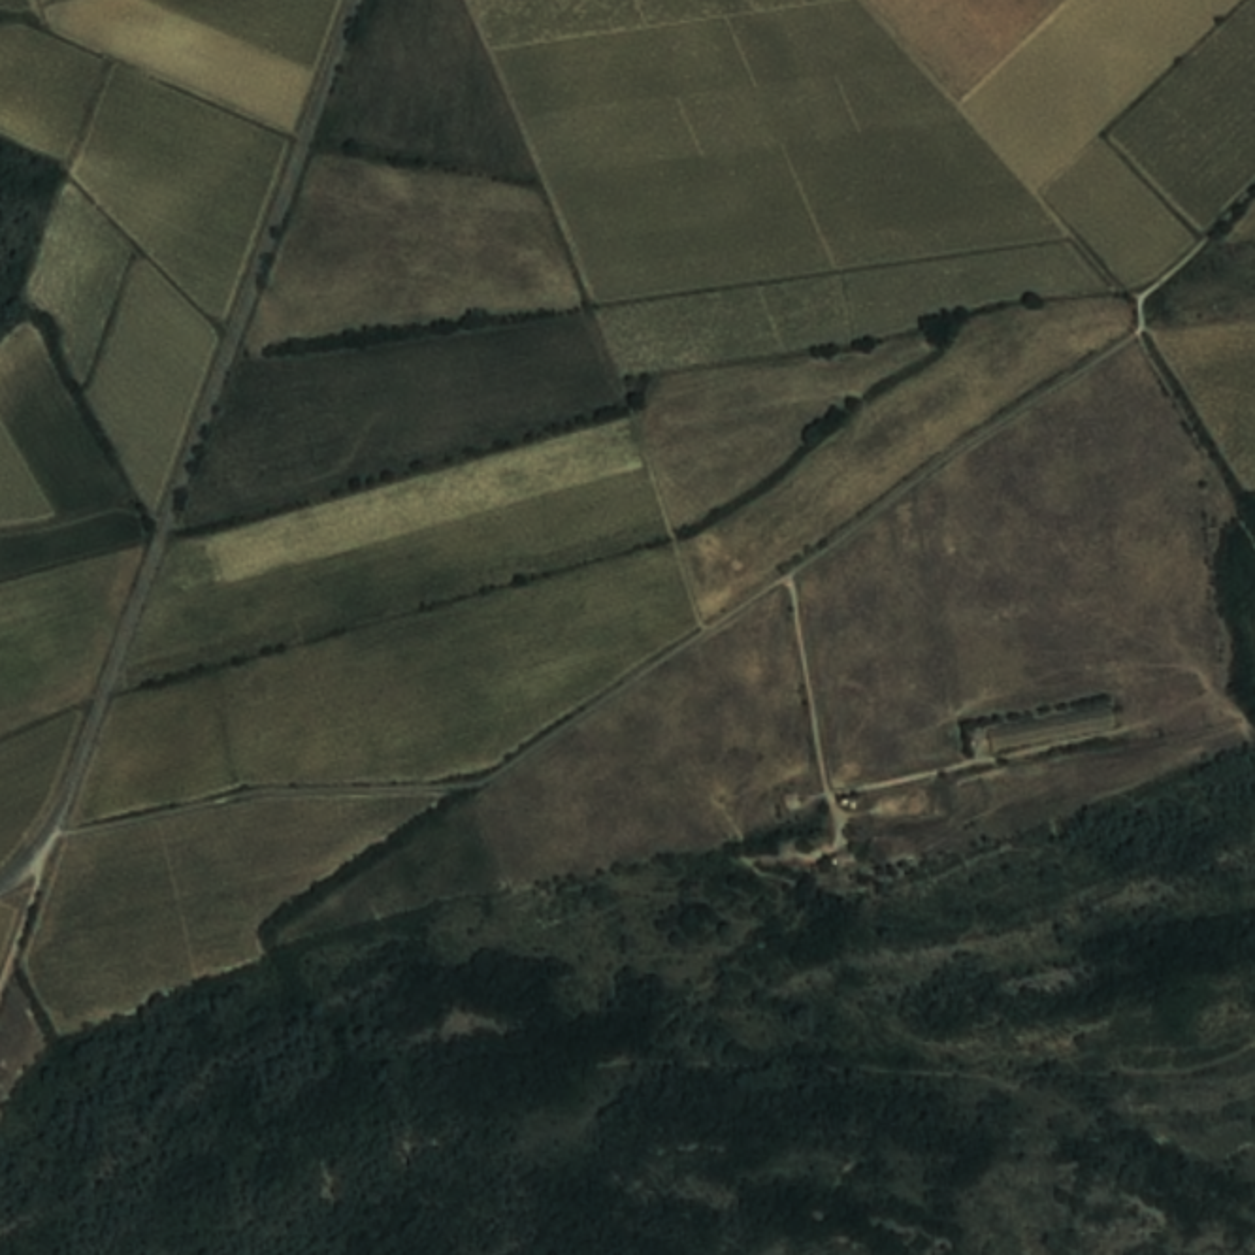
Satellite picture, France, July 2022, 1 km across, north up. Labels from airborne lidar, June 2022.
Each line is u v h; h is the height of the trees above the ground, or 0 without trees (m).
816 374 0
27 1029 0
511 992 9
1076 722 0
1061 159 0
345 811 0
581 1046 11
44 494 0
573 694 0
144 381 0
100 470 0
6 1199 7
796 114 0
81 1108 12
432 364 0
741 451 0
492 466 0
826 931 10
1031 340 0
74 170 0
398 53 0
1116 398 0
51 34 0
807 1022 14
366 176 0
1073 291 0
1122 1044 0
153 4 0
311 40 0
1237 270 0
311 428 0
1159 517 0
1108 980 6
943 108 0
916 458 0
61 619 0
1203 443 6
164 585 0
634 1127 6
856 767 0
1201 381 0
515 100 0
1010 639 0
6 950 0
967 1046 0
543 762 0
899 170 0
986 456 0
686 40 0
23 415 0
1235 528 6
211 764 0
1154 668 0
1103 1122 7
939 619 0
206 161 0
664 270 0
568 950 0
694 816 0
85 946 0
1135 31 0
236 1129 10
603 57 0
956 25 0
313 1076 10
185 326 0
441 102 0
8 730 0
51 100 0
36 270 0
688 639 0
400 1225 7
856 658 0
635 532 0
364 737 0
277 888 0
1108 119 0
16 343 0
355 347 7
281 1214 8
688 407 0
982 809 0
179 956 0
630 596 0
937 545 0
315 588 0
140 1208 9
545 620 0
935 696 0
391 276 0
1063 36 0
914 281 0
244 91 0
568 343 0
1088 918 8
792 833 11
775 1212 8
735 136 0
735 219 0
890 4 0
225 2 0
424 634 0
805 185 0
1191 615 0
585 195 0
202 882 0
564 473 0
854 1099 6
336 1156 6
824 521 0
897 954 0
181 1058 13
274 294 0
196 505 0
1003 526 0
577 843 0
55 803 0
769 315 0
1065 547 0
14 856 0
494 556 0
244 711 0
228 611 0
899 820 0
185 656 0
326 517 0
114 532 0
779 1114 7
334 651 0
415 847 0
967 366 0
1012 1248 0
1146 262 0
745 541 0
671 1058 6
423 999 9
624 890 0
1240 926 6
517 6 0
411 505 0
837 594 0
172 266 0
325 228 0
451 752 0
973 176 0
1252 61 0
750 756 0
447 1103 6
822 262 0
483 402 0
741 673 0
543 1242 6
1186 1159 11
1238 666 9
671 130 0
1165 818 9
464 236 0
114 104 0
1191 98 0
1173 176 0
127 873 0
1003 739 0
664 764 0
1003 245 0
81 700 0
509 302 0
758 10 0
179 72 0
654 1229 8
